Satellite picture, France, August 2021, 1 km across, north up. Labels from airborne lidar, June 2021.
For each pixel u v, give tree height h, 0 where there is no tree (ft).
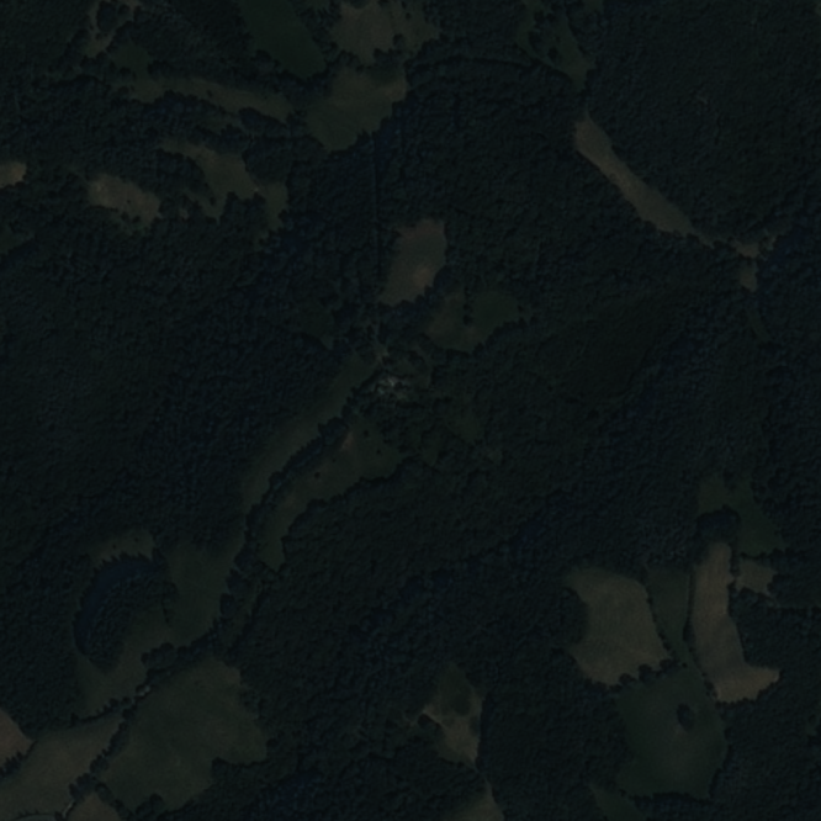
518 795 82
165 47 55
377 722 73
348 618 88
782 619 57
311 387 90
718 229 62
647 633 0
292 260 68
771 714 67
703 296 69
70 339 81
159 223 51
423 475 73
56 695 90
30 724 54
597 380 52
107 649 95
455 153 96
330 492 0
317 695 97
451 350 0
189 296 48
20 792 0
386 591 105
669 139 62
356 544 73
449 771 32
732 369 87
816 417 80
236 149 64
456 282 65
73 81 49
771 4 50
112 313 80
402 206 86
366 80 0
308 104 70
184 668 49
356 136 0
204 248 75
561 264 75
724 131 66
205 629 0
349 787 79
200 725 0
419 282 0
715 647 0
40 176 31
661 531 74
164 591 49
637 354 66
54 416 74
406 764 35
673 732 0
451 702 0
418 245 0
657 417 86
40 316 76
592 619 0
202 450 104
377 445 0
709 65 48
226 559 0
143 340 88
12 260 46
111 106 73
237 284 69
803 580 80
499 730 65
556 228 80
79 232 76
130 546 0
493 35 70
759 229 79
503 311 0
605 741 82
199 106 75
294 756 18
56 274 69
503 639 82
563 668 78
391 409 31
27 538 95
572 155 69
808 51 44
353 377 0
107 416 75
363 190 63
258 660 81
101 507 94
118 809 44
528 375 94
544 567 75
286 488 63
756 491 63
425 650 82
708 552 58
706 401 74
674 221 0
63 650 84
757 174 33
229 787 32
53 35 71
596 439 93
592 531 62
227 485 86
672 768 0
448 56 52
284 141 74
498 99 73
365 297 71
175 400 129
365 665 88
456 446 44
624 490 85
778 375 60
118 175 41
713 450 73
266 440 70
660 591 0
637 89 75
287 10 0
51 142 80
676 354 94
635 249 106
